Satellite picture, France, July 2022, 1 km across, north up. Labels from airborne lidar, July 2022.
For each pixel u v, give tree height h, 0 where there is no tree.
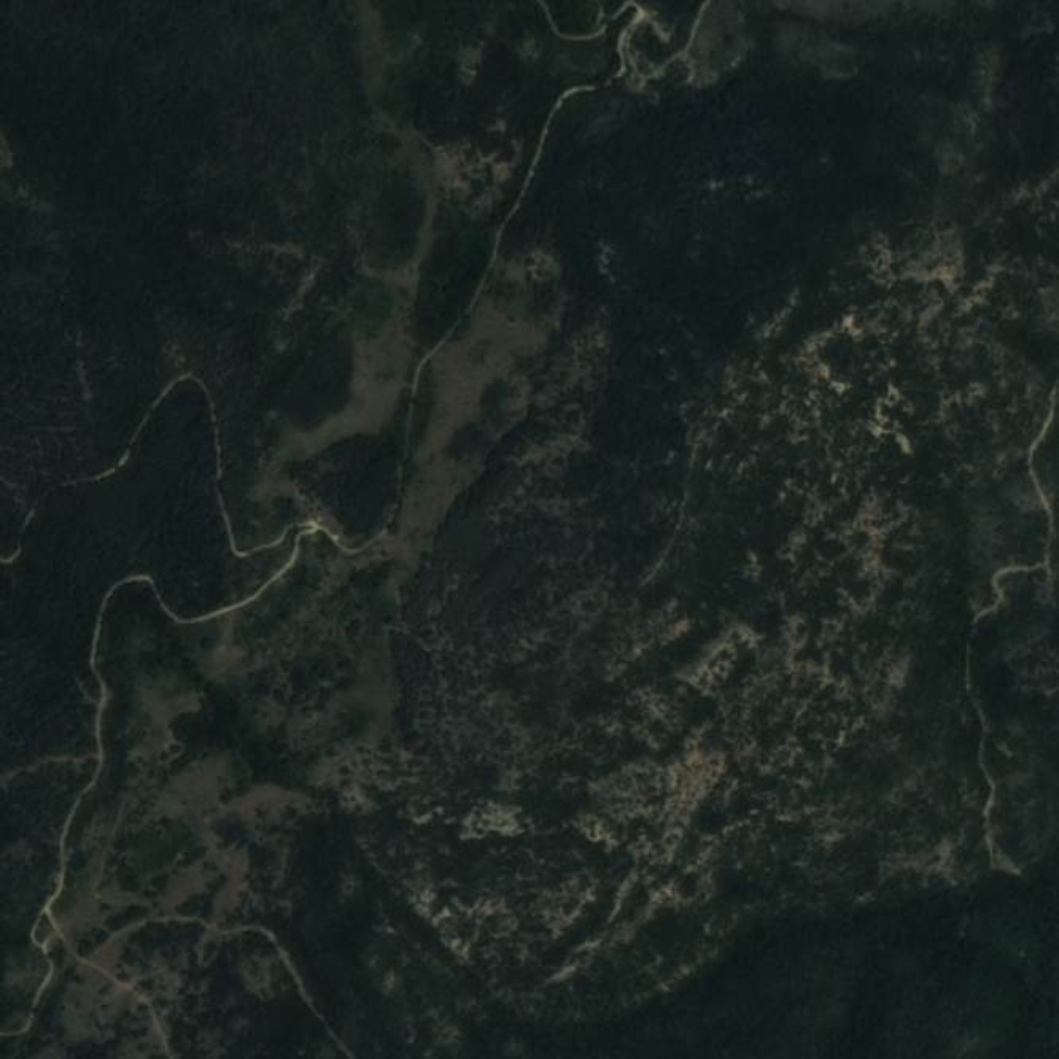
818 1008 6
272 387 8
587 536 6
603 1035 5
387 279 0
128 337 9
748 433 6
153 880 8
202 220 8
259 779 7
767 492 6
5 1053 6
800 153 6
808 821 6
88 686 10
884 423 5
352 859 9
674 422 6
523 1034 7
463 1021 7
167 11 6
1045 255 7
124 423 10
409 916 7
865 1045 7
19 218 8
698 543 8
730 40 8
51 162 9
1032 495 0
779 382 8
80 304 9
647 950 6
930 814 6
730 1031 6
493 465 6
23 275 9
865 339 7
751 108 6
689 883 8
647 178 6
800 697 5
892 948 7
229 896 0
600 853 6
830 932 7
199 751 8
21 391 11
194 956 6
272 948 6
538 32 7
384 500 11
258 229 6
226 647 0
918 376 6
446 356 0
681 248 6
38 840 6
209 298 6
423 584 6
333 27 7
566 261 8
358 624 9
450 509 6
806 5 0
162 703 0
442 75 6
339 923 7
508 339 0
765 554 7
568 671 0
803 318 7
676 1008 7
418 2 7
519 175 8
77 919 0
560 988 6
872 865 7
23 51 8
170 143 6
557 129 6
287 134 5
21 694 8
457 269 7
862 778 5
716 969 10
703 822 8
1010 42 7
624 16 6
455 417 0
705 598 6
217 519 9
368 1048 6
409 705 9
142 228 7
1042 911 6
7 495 8
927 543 6
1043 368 8
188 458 6
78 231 7
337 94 6
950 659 7
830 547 9
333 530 0
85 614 10
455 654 6
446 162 0
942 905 8
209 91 6
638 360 6
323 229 7
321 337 7
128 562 7
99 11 8
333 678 6
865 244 6
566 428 6
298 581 7
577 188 6
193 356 10
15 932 7
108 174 8
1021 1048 7
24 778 6
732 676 5
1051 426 6
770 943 8
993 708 6
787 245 6
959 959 10
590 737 5
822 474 6
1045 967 7
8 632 8
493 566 7
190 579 6
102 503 11
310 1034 6
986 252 6
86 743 6
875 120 6
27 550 9
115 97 6
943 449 6
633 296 6
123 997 0
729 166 6
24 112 9
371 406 0
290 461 8
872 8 0
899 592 6
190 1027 6
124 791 9
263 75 6
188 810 0
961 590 8
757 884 8
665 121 9
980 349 6
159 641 7
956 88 6
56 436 11
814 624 7
